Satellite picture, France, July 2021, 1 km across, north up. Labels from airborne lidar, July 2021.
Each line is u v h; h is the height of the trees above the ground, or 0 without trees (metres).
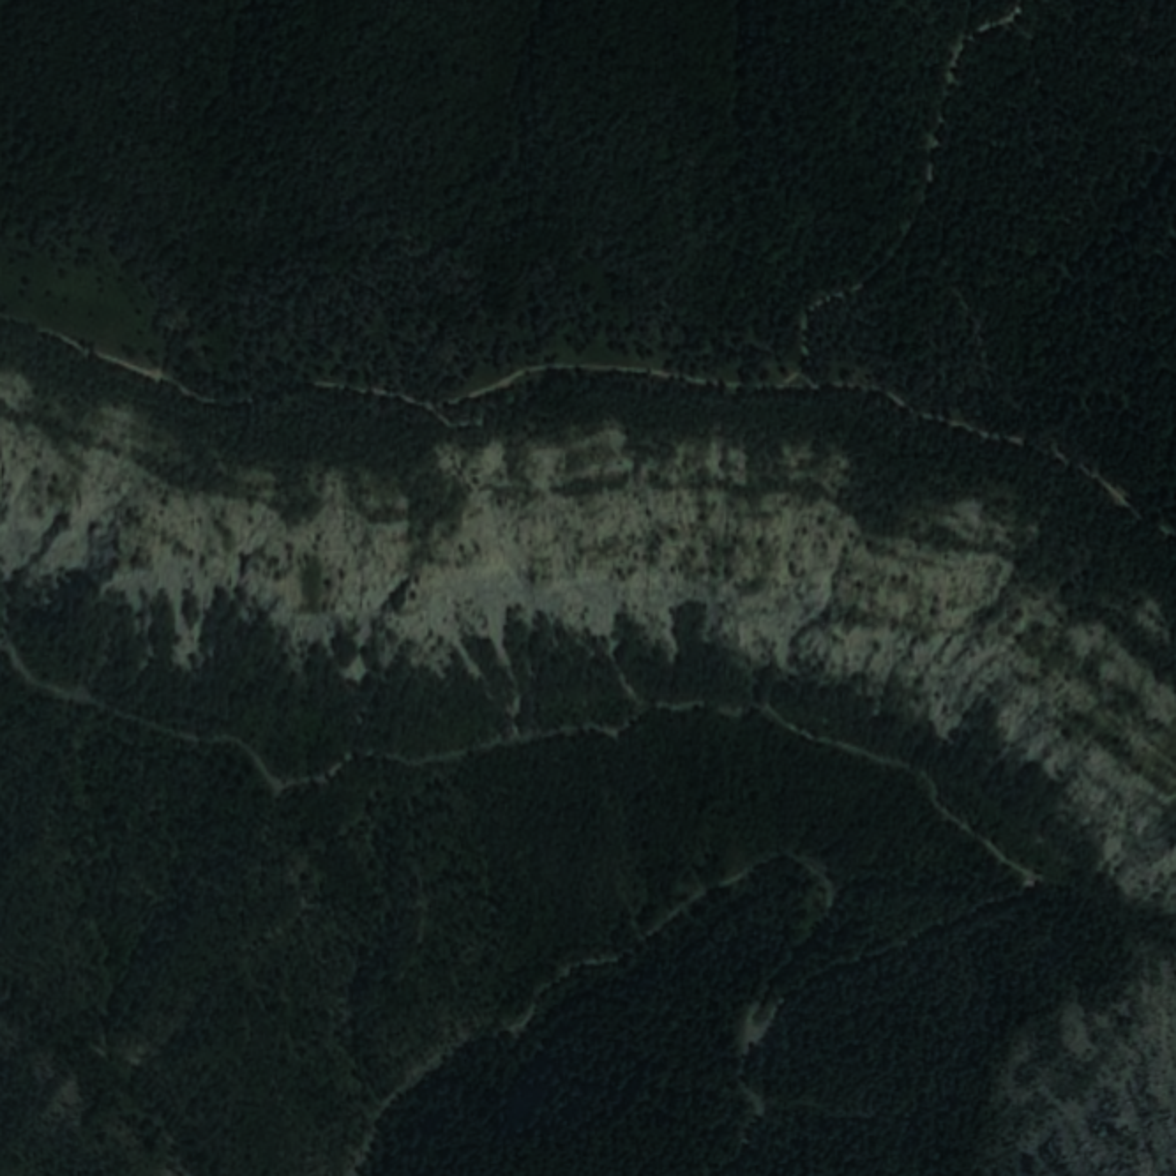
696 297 15
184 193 19
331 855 14
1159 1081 0
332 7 17
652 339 10
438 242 9
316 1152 18
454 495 11
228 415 16
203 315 12
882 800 10
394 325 9
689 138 15
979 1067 18
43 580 8
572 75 17
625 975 13
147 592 7
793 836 13
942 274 12
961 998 14
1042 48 19
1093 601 6
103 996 27
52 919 18
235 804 7
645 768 13
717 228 12
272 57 20
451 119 11
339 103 14
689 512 0
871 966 17
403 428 11
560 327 9
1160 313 13
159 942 8
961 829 13
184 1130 12
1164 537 17
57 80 17
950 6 16
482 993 6
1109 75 15
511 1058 19
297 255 10
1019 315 11
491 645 17
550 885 9
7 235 15
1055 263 9
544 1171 20
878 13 15
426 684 10
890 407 15
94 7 17
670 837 11
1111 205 19
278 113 19
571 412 10
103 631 17
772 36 22
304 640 8
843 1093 10
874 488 12
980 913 10
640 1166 15
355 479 6
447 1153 23
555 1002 14
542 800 8
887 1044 14
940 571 0
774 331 10
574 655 16
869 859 6
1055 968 13
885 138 12
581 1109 34
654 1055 11
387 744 23
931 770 24
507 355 8
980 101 17
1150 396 22
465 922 23
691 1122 27
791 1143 10
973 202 18
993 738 14
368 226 15
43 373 10
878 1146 15
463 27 10
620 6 18
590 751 11
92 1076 8
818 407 9
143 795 12
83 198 8
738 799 9
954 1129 18
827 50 15
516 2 14
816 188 14
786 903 22
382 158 17
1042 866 12
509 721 15
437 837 7
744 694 20
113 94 15
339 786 7
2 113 23
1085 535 10
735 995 16
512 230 25
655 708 9
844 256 18
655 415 7
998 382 12
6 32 22
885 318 21
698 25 19
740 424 8
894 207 16
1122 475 12
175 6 17
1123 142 17
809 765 13
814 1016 19
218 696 21
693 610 14
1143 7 16
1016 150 24
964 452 18
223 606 20
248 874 16
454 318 14
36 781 29
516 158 11
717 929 26
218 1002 6
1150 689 0
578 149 14
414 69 14
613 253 14
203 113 14
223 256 12
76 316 0
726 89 17
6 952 19
